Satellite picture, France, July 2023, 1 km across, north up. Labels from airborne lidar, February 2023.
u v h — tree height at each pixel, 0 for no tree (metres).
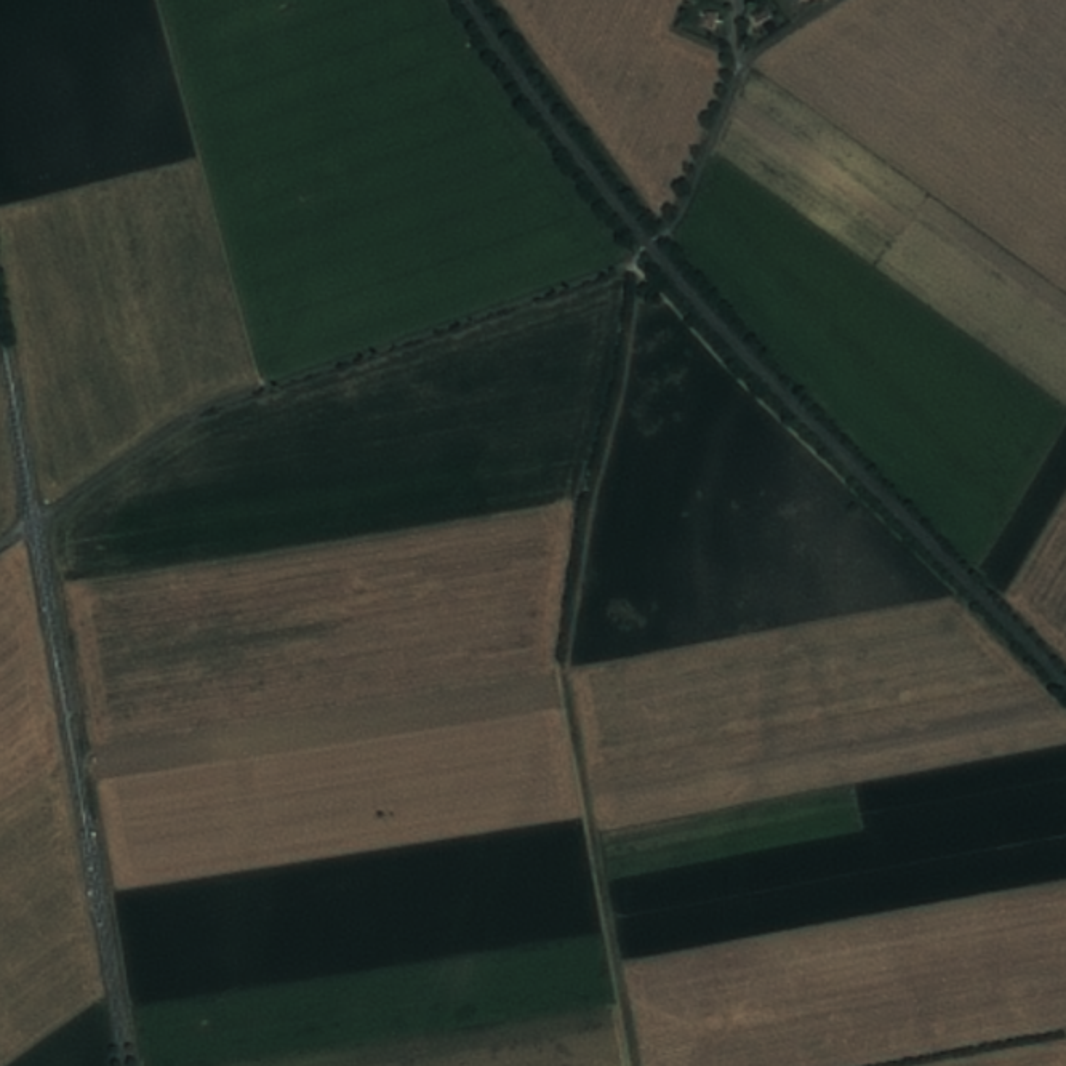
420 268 0
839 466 8
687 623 0
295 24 0
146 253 0
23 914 0
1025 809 0
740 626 0
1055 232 0
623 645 0
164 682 0
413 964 0
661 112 0
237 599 0
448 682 0
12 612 0
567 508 0
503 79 14
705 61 0
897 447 0
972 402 0
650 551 0
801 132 0
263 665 0
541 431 0
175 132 0
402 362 0
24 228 0
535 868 0
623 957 0
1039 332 0
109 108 0
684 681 0
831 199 0
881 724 0
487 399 0
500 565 0
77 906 0
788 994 0
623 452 0
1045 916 0
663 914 0
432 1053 0
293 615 0
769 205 0
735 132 0
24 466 0
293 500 0
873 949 0
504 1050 0
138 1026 0
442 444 0
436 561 0
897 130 0
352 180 0
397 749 0
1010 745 0
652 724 0
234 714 0
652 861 0
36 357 0
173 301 0
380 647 0
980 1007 0
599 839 0
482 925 0
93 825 0
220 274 0
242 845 0
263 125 0
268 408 0
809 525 0
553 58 0
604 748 0
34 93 0
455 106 0
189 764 0
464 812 0
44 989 0
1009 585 0
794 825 0
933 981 0
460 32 0
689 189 14
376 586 0
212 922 0
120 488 0
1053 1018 0
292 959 0
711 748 0
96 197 0
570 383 0
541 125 11
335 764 0
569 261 0
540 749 0
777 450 0
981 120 0
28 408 0
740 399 0
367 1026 0
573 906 0
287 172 0
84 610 0
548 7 0
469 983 0
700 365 0
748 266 0
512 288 0
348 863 0
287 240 0
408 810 0
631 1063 0
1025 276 0
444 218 0
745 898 0
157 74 0
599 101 0
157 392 0
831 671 0
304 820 0
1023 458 0
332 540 0
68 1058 0
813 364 0
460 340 0
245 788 0
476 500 0
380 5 0
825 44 0
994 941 0
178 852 0
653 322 0
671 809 0
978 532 0
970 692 0
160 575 0
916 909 0
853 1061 0
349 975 0
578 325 0
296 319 0
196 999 0
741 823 0
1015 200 0
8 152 0
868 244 0
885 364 0
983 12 0
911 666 0
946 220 0
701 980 0
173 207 0
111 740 0
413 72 0
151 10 0
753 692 0
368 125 0
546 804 0
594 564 0
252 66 0
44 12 0
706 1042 0
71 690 0
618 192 7
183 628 0
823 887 0
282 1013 0
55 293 0
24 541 0
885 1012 0
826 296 0
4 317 16
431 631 0
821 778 0
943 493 0
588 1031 0
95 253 0
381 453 0
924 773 0
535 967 0
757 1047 0
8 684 0
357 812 0
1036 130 0
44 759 0
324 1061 0
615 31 0
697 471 0
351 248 0
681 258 14
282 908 0
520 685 0
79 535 0
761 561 0
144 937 0
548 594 0
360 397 0
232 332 0
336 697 0
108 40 0
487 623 0
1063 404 0
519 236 0
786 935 0
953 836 0
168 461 0
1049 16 0
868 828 0
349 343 0
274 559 0
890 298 0
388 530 0
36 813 0
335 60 0
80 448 0
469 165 0
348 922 0
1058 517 0
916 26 0
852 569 0
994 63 0
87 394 0
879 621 0
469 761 0
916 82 0
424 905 0
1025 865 0
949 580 9
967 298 0
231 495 0
